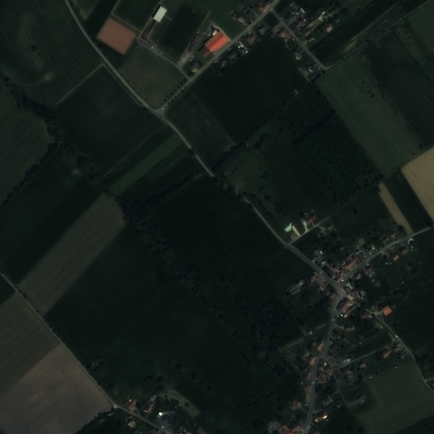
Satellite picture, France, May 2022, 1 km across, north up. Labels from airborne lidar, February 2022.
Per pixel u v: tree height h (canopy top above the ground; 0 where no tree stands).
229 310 0
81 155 0
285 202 0
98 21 0
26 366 0
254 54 0
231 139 0
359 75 0
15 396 0
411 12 0
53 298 0
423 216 0
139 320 0
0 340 0
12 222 0
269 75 0
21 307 0
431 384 0
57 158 0
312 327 0
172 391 0
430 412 0
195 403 0
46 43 0
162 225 0
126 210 24
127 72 0
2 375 0
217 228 0
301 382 0
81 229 0
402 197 0
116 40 0
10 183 0
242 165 0
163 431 0
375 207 0
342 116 0
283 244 0
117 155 0
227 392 0
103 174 0
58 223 0
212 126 0
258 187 0
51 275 0
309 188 0
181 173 0
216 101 0
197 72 0
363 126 0
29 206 0
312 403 0
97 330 0
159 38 0
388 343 0
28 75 0
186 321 0
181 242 0
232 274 0
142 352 0
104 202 0
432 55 0
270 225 0
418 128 0
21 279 0
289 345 0
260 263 0
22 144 0
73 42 0
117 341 0
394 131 0
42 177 0
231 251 0
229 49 0
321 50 0
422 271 0
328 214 0
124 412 0
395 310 0
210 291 0
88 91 0
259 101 0
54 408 0
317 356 0
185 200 0
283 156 0
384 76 0
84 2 0
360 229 0
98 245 0
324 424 0
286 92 0
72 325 0
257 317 0
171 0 0
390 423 0
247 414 0
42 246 0
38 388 0
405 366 0
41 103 0
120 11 0
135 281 0
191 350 0
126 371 0
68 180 0
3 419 0
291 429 0
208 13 0
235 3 0
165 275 0
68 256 0
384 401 0
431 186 0
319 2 0
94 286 0
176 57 0
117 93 0
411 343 0
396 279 0
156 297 0
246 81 0
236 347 0
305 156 10
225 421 0
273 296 0
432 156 0
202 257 0
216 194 0
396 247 0
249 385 0
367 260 0
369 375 0
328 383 0
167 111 0
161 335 0
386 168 0
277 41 0
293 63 0
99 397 0
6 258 0
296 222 0
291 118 0
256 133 0
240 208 0
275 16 0
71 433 0
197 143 0
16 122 0
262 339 18
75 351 0
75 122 0
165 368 0
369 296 0
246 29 0
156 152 0
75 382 0
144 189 0
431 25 0
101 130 0
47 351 0
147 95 0
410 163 0
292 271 0
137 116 0
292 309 9
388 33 0
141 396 0
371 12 0
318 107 0
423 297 0
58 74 0
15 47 0
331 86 0
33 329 0
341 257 0
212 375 0
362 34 0
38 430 0
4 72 0
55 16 0
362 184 0
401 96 0
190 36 0
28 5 0
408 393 0
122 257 0
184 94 0
